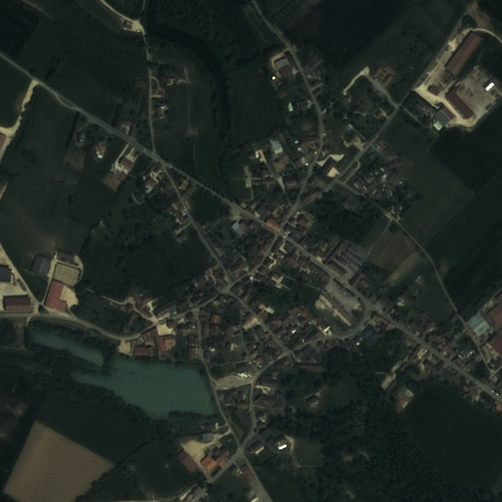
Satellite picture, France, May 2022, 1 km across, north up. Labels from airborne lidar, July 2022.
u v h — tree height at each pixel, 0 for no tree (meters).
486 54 0
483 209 0
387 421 20
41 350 19
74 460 0
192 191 0
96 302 0
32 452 0
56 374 17
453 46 0
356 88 0
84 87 0
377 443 31
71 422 0
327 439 28
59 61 16
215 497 0
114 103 0
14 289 0
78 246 0
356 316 17
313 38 0
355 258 0
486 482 0
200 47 0
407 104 14
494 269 0
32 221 0
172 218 6
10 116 0
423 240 0
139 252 10
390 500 26
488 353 0
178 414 15
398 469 19
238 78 0
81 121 11
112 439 0
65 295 0
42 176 0
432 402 0
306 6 0
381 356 0
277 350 0
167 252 0
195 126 0
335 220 24
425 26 0
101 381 0
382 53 0
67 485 0
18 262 0
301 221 0
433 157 0
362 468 25
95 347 16
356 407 27
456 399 0
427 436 0
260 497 0
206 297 9
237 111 0
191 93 0
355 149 0
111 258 0
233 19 0
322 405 0
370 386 29
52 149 0
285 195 10
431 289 0
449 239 0
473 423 0
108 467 0
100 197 0
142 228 14
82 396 22
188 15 15
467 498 25
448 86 0
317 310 0
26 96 0
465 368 0
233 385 0
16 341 0
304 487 6
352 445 29
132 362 0
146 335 0
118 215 0
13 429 0
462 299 0
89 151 6
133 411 12
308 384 0
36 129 0
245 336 9
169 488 0
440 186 0
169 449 0
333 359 26
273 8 0
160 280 0
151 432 0
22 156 9
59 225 0
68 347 0
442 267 0
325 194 14
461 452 0
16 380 0
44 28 0
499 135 0
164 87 7
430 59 0
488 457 0
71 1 14
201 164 0
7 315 0
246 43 0
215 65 0
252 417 0
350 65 0
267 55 12
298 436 25
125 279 0
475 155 0
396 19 0
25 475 0
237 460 0
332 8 0
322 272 0
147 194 0
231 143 6
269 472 0
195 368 0
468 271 0
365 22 0
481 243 0
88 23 0
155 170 10
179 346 0
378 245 0
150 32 0
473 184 0
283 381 11
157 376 0
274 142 0
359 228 23
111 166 0
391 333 10
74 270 0
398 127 0
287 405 9
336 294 0
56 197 0
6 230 0
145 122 10
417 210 0
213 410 0
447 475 0
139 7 11
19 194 0
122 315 0
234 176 0
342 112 7
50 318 0
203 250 0
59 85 0
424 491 21
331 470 17
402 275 0
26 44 11
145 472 0
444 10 0
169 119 0
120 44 0
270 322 0
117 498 0
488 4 0
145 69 0
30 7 10
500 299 0
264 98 0
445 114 0
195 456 0
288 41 0
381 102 9
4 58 0
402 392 0
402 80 8
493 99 0
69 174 0
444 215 0
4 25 0
